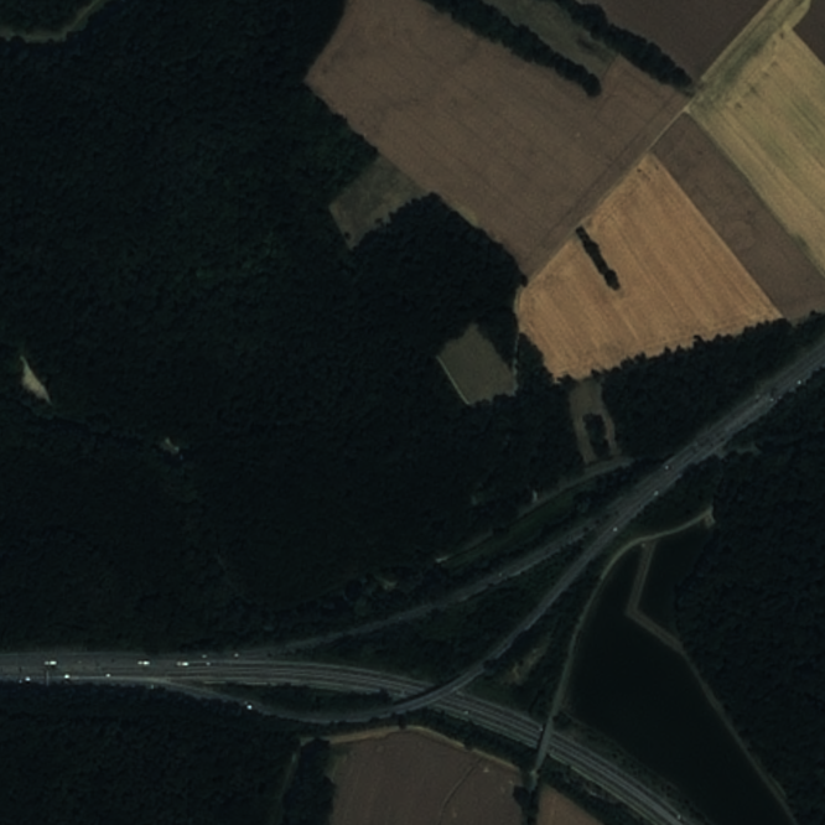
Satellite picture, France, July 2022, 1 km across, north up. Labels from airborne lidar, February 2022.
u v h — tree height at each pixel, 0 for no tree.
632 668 0
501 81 0
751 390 9
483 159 0
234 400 20
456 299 22
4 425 24
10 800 28
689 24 0
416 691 0
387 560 19
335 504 20
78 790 22
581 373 0
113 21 23
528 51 18
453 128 0
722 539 19
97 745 25
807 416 16
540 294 0
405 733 0
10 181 25
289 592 25
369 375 24
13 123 21
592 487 0
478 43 0
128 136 22
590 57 0
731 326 0
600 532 0
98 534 18
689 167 0
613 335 0
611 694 0
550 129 0
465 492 23
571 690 0
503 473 24
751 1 0
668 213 0
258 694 7
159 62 25
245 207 17
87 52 22
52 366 26
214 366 20
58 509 19
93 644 11
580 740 0
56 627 23
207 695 0
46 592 21
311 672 0
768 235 0
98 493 19
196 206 18
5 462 17
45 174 24
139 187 21
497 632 12
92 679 0
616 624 0
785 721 17
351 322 20
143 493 18
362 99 0
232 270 15
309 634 9
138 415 26
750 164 0
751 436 10
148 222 21
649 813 0
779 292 0
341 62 0
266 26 25
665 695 0
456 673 15
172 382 23
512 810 0
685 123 0
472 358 0
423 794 0
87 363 21
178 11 27
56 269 20
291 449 22
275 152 18
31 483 17
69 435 30
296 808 24
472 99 0
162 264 18
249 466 27
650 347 0
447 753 0
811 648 24
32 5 18
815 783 17
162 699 12
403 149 0
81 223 20
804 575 31
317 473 24
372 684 0
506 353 15
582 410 0
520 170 0
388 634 13
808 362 0
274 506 27
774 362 11
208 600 27
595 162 0
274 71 24
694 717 0
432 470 20
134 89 24
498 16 17
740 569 28
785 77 0
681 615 17
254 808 23
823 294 0
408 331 22
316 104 17
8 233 28
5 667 0
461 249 18
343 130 16
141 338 17
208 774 28
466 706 0
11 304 23
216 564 23
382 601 19
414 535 22
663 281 0
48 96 23
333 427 19
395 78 0
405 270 24
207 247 10
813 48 0
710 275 0
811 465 28
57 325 26
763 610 24
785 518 21
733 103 0
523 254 0
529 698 8
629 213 0
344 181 10
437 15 0
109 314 20
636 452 14
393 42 0
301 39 14
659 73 17
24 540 20
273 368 21
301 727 9
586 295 0
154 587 18
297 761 0
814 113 0
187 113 16
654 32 0
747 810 0
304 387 25
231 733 19
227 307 18
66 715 19
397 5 0
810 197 0
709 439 0
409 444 18
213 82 27
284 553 23
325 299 23
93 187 25
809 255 0
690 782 0
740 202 0
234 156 20
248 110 19
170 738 22
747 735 24
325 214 12
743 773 0
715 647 17
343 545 25
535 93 0
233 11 29
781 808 0
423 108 0
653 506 6
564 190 0
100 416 17
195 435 20
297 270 17
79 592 26
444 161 0
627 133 0
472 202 0
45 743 27
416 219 14
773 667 22
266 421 13
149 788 26
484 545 0
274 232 15
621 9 0
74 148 26
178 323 21
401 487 18
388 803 0
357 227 0
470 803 0
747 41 0
